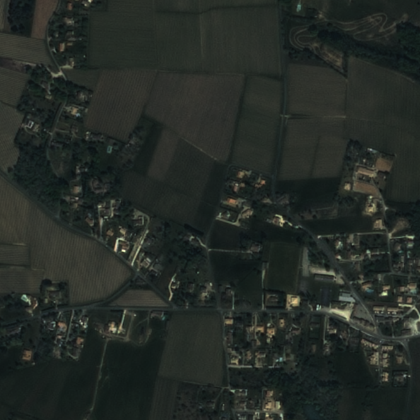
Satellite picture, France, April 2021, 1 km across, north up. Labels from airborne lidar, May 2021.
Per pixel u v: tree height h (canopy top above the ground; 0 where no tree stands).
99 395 0
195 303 15
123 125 0
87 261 0
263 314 0
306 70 0
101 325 0
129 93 0
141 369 0
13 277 0
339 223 0
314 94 0
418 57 24
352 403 0
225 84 0
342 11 0
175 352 0
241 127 0
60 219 0
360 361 0
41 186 17
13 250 0
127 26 0
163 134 0
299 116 0
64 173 0
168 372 0
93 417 0
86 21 14
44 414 0
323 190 0
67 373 0
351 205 12
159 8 0
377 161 0
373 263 8
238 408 0
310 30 10
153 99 0
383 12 0
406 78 0
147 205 0
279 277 0
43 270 0
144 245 0
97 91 0
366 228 0
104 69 0
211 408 8
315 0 0
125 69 0
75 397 0
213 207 0
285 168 0
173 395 0
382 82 0
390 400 0
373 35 0
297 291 0
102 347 0
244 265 0
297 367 9
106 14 0
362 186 0
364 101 0
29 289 0
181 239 10
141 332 0
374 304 0
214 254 0
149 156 0
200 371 0
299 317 8
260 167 0
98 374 0
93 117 0
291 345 14
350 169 8
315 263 13
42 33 0
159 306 0
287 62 0
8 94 0
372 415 0
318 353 0
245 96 0
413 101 0
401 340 0
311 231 0
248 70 0
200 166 0
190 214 0
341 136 0
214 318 0
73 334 6
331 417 16
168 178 0
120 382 0
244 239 19
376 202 0
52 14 0
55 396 0
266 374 7
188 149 0
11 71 0
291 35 0
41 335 6
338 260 6
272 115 0
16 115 0
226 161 0
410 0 0
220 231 0
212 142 0
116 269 0
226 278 0
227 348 0
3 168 0
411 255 0
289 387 21
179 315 0
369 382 0
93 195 9
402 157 0
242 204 0
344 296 0
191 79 0
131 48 0
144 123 0
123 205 12
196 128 0
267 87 0
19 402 0
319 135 0
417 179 0
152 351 0
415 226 12
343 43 26
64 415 0
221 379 0
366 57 18
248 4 0
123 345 0
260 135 0
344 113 0
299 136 0
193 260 18
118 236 0
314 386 9
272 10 0
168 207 0
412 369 0
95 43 0
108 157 0
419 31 16
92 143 8
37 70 10
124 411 0
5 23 0
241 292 0
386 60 16
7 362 0
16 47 0
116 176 10
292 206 6
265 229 0
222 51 0
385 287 0
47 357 15
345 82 0
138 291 0
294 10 0
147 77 0
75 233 0
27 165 16
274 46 0
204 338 0
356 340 0
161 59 0
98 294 0
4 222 0
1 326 15
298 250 0
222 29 0
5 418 0
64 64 9
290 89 0
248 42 0
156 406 0
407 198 0
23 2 9
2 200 0
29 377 0
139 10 0
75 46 0
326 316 0
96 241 0
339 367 0
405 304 0
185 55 0
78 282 0
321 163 0
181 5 0
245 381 14
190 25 0
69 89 15
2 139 0
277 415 0
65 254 0
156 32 0
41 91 10
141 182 0
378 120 0
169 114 0
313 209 0
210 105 0
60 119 8
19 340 22
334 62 0
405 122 0
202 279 0
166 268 0
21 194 0
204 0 0
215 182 0
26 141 0
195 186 0
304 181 0
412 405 0
